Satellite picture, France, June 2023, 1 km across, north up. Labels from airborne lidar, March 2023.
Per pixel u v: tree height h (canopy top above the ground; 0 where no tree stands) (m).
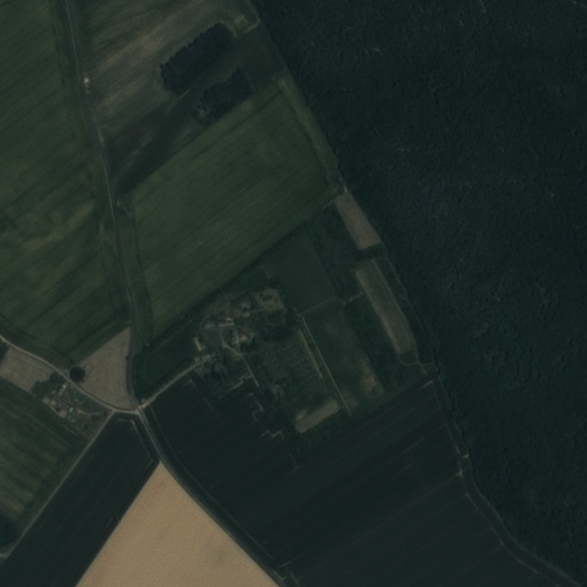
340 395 0
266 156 0
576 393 17
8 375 0
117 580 0
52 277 0
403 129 19
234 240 0
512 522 19
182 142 0
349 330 0
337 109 18
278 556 0
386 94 22
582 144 19
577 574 18
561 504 21
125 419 0
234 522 0
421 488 0
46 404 0
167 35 0
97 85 0
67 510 0
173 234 0
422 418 0
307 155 0
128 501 0
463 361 21
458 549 0
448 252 20
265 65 0
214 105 8
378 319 0
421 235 18
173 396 0
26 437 0
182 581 0
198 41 12
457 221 22
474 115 20
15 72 0
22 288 0
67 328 0
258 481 0
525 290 18
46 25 0
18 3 0
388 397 0
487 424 18
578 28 17
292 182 0
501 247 18
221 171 0
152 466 0
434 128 18
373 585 0
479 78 18
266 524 0
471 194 19
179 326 8
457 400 14
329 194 0
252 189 0
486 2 15
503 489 21
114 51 0
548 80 18
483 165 17
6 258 0
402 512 0
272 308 0
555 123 22
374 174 21
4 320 0
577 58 19
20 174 0
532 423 19
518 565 0
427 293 21
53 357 0
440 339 17
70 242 0
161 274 0
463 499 0
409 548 0
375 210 20
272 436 0
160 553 0
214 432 0
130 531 0
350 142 18
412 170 18
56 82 0
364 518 0
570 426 19
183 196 0
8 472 0
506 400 17
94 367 0
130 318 0
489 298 21
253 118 0
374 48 18
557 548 20
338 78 19
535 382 17
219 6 0
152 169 0
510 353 15
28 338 0
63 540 0
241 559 0
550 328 20
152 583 0
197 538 0
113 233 0
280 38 21
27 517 0
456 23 16
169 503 0
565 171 18
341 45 16
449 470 0
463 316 19
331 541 0
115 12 0
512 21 19
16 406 0
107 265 0
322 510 0
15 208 0
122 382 0
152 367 0
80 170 0
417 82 11
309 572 0
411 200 18
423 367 0
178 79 21
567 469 18
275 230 0
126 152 0
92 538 0
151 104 0
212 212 0
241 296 6
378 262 0
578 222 24
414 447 0
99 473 0
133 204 0
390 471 0
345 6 18
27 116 0
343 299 8
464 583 0
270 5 24
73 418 0
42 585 0
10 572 0
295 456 0
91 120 0
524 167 21
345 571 0
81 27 0
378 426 0
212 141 0
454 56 18
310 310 0
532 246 18
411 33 17
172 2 0
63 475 0
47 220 0
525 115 18
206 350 9
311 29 20
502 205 16
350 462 0
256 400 0
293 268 0
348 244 0
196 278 0
